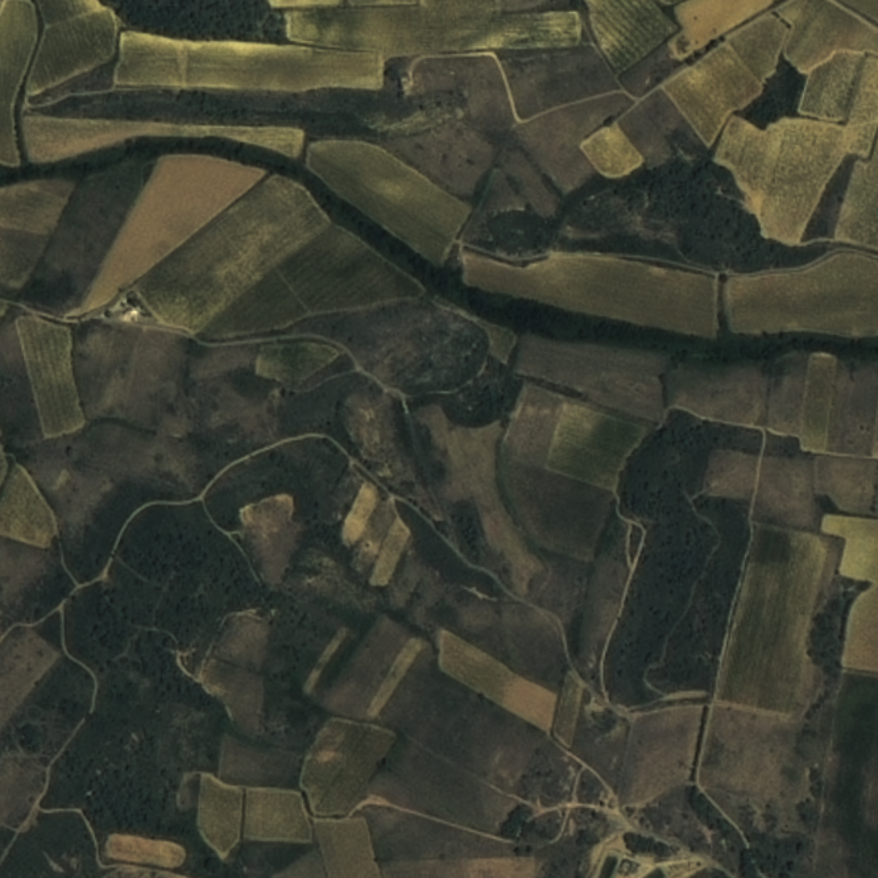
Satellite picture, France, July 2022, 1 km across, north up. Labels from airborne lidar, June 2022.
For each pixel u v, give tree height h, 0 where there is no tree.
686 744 0
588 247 5
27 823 0
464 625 0
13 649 0
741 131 0
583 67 0
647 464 0
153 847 0
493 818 0
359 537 0
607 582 0
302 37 0
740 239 9
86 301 0
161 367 0
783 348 8
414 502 8
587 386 0
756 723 0
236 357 0
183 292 0
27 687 0
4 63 0
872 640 0
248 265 0
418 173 0
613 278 0
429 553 0
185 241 0
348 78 0
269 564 0
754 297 0
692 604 0
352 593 0
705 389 0
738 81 0
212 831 0
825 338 7
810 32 0
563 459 0
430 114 0
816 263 0
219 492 0
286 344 0
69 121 0
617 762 0
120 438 0
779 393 0
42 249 0
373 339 0
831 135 0
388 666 0
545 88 0
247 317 0
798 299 0
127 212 0
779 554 0
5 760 0
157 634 6
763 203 0
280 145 0
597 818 8
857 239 0
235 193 0
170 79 0
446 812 0
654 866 0
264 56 0
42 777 0
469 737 0
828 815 0
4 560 0
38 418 0
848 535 0
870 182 0
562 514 0
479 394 6
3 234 0
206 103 9
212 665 0
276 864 0
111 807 9
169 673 8
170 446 0
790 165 0
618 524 0
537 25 0
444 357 0
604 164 0
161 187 0
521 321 14
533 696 0
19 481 0
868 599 0
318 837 0
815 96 0
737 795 0
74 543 0
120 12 10
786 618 0
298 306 0
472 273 0
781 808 0
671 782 0
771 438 0
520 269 0
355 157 0
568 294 0
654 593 0
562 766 0
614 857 0
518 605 0
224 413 0
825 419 0
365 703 0
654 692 0
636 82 0
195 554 7
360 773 0
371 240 12
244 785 0
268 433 0
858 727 0
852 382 0
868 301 0
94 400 0
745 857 12
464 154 0
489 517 0
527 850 8
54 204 0
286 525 0
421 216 0
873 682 0
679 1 0
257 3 9
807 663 0
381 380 0
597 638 0
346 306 0
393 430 0
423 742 0
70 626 0
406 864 0
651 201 6
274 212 0
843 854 0
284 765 0
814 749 0
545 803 0
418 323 0
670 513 10
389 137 0
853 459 0
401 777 0
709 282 0
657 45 0
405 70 0
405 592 0
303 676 0
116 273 0
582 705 0
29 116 0
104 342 0
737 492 0
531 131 0
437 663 0
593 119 0
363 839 0
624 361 0
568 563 0
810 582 0
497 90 0
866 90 0
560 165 0
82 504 0
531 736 0
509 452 0
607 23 0
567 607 0
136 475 0
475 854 0
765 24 0
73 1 0
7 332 0
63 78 0
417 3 0
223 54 0
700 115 0
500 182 0
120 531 0
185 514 0
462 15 0
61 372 0
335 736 0
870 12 0
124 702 8
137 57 0
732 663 0
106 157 6
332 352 0
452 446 0
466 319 0
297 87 0
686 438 9
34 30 0
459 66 0
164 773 9
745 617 0
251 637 0
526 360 0
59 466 0
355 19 0
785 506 0
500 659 0
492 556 0
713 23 0
